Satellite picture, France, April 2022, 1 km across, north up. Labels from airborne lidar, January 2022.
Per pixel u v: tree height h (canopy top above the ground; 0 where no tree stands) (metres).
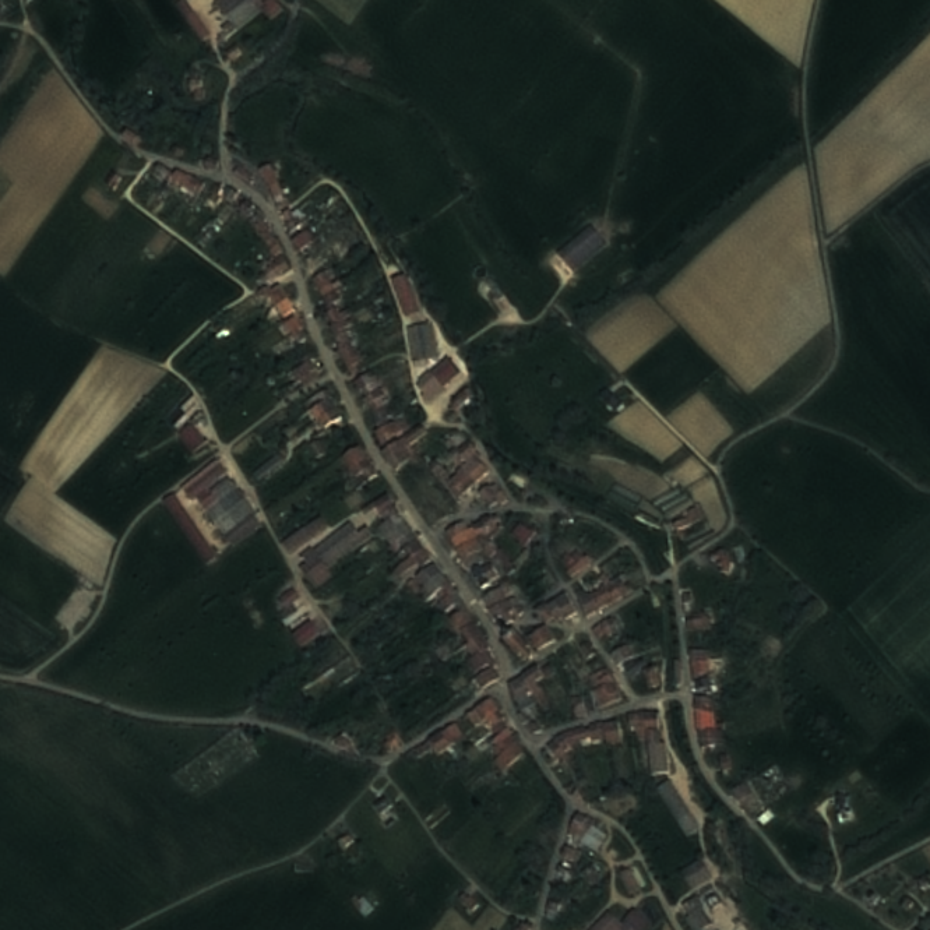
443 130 0
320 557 0
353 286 0
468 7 0
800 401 0
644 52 0
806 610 12
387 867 0
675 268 0
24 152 0
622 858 0
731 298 0
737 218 0
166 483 0
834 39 0
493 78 0
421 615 0
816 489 0
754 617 0
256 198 0
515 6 0
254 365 0
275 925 0
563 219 0
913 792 0
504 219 0
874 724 0
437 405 0
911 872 0
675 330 0
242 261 0
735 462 0
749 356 0
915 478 0
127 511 0
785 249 0
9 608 0
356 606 16
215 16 0
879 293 0
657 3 0
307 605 0
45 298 0
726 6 0
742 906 0
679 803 0
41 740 0
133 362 0
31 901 0
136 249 0
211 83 0
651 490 0
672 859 0
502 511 0
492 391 0
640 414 0
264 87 13
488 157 0
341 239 0
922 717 0
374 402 0
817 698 0
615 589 0
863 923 0
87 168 0
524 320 0
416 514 0
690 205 0
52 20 0
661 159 0
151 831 0
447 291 0
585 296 0
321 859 0
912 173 0
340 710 0
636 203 0
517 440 0
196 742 0
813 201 0
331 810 0
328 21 0
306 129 0
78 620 0
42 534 0
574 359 0
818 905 0
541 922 0
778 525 0
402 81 0
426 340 0
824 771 0
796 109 0
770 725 0
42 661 0
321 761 0
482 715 0
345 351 0
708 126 0
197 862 0
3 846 0
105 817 0
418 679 11
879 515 0
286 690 7
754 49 0
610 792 11
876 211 0
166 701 0
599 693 0
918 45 0
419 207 0
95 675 0
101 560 0
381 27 0
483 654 0
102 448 0
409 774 0
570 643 0
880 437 0
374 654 14
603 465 0
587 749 0
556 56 0
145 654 0
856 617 0
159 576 0
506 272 0
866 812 0
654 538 0
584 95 0
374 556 0
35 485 0
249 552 0
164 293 0
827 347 0
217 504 0
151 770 0
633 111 0
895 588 0
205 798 0
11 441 0
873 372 0
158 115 11
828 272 0
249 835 0
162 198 0
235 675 0
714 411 0
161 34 0
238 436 0
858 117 0
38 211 0
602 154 0
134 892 0
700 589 0
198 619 0
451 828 0
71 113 0
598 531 0
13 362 0
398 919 0
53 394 0
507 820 0
